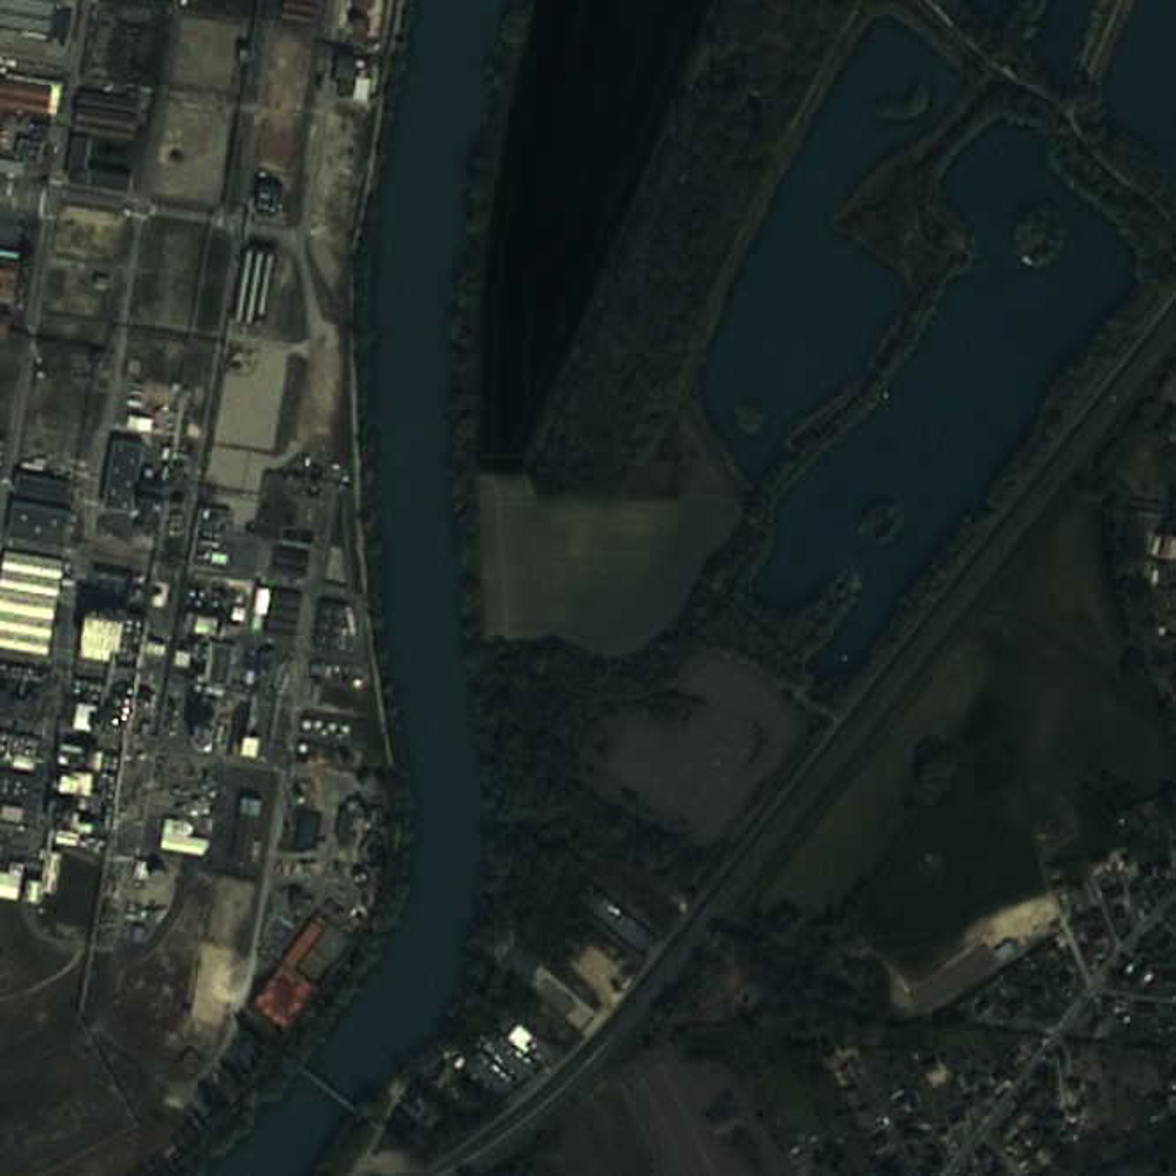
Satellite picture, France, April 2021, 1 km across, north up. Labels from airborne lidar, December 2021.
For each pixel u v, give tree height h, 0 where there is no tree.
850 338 0
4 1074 0
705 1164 0
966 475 0
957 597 0
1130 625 7
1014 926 0
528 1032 0
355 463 0
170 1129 0
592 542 0
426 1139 15
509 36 11
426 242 0
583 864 11
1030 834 0
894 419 0
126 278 0
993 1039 10
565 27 0
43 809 0
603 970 0
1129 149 19
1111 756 0
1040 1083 9
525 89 0
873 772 0
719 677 0
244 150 0
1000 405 0
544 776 26
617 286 21
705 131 22
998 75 0
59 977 0
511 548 0
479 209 24
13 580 0
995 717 0
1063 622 0
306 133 0
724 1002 6
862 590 0
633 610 0
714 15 0
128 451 0
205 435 0
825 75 0
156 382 0
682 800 0
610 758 0
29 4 0
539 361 0
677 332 18
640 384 23
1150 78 0
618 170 0
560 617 0
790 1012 19
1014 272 0
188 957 0
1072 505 0
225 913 0
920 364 0
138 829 0
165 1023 0
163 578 0
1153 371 0
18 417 0
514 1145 0
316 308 0
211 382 0
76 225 0
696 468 0
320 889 0
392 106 6
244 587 0
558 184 0
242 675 0
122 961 0
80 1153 0
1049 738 0
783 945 6
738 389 0
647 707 6
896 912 0
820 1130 0
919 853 0
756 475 0
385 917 16
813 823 0
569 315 0
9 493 0
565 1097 0
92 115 0
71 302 0
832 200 0
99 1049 9
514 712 20
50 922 0
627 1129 0
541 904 16
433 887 0
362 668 0
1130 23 0
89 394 0
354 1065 0
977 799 0
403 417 0
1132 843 9
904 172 0
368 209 7
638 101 0
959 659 0
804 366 0
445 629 0
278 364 0
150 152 0
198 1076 0
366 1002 0
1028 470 17
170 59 0
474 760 0
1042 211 10
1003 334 0
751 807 8
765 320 0
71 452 0
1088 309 0
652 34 0
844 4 15
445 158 0
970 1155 0
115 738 0
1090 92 21
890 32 0
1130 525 7
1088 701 0
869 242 0
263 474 0
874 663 10
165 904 0
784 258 0
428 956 0
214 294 0
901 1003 0
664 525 0
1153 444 0
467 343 14
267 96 0
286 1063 8
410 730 0
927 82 0
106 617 0
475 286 20
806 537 0
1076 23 0
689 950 0
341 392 0
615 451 23
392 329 0
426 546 0
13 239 0
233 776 0
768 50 24
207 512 0
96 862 0
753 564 14
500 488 0
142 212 0
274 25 0
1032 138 0
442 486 0
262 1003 0
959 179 0
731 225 21
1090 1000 0
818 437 11
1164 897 0
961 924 0
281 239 0
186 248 0
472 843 0
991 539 0
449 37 0
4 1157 0
